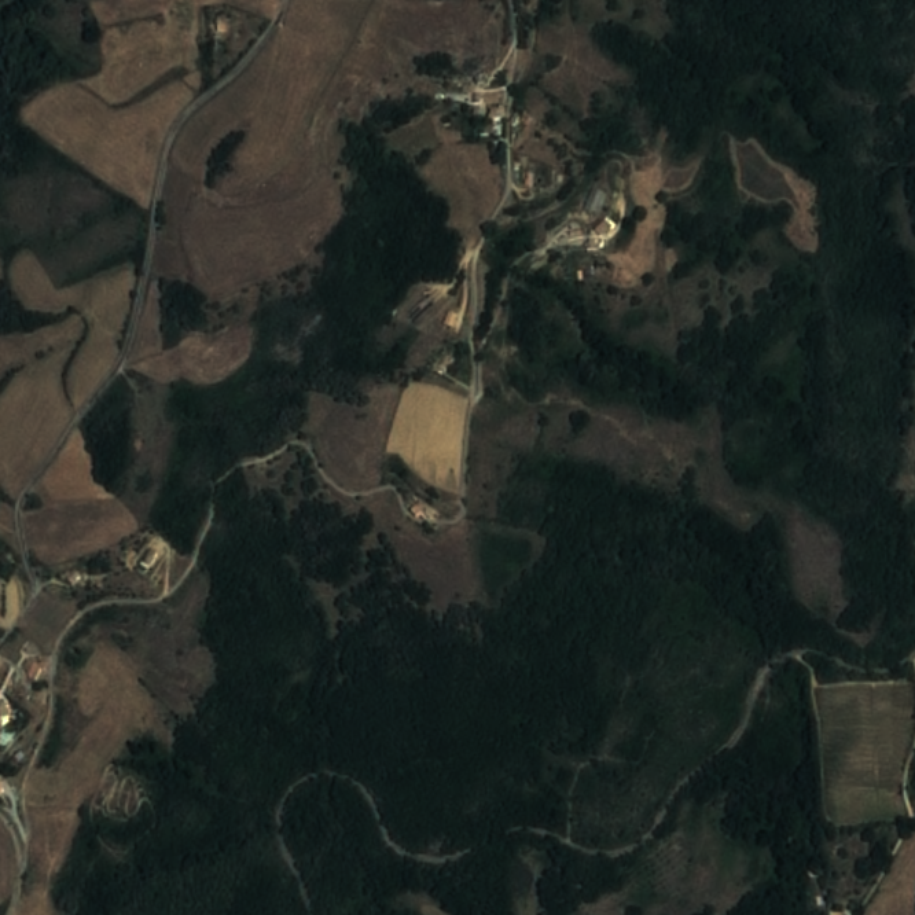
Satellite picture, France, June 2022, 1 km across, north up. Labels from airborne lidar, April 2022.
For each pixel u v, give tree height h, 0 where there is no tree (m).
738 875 0
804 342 11
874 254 10
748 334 11
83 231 0
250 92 0
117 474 9
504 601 8
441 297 0
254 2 0
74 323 0
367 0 0
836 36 8
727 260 12
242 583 10
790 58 22
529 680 11
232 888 10
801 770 15
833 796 0
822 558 0
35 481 0
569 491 7
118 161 0
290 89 0
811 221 0
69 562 0
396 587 8
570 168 8
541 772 12
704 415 0
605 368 19
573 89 0
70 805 0
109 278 0
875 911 0
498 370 0
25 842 0
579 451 0
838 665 8
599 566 12
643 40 15
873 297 13
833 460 10
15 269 0
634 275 0
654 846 13
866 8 12
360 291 7
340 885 9
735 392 17
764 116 8
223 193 0
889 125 9
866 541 10
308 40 0
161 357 0
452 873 15
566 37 0
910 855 0
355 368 12
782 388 13
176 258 0
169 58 0
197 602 0
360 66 0
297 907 9
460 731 9
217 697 10
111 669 0
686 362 14
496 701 8
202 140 0
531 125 0
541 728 11
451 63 6
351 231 7
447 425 0
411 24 0
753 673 9
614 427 0
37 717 0
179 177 0
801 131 0
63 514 0
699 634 10
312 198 0
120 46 0
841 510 6
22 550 0
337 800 14
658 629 6
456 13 0
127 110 0
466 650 8
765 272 0
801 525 0
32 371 0
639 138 0
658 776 0
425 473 0
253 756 9
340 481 0
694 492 8
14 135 11
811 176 9
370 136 9
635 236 0
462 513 0
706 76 19
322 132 0
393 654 11
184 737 11
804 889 8
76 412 0
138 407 0
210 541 9
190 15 0
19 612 0
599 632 9
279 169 0
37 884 0
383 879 9
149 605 0
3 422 0
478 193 0
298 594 12
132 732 0
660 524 13
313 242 0
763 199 0
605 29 7
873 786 0
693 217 7
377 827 7
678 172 0
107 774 0
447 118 6
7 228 0
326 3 0
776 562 9
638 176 0
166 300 7
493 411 0
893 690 0
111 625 0
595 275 0
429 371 8
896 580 14
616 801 0
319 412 0
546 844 14
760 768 11
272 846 10
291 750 10
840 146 13
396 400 0
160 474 0
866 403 9
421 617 10
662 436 0
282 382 11
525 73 0
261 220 0
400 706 10
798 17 13
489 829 13
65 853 0
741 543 11
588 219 0
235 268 0
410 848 8
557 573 12
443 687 11
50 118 0
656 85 10
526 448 0
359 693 10
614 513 10
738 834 13
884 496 14
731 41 8
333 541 12
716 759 11
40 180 0
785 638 11
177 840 6
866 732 0
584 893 13
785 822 25
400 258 12
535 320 15
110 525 0
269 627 10
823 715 0
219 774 10
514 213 13
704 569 15
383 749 9
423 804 10
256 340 0
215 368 0
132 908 17
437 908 0
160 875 16
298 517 11
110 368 0
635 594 11
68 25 0
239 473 9
